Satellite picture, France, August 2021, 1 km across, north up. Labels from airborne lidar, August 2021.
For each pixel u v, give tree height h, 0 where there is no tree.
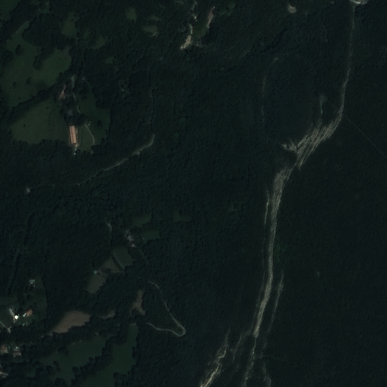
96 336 7
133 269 18
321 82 18
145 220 0
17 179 21
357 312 18
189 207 12
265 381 8
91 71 23
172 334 11
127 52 6
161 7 6
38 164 12
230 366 10
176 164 15
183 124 32
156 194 25
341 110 9
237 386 11
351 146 14
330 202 17
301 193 16
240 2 11
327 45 14
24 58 0
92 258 15
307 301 16
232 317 14
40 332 13
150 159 17
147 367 17
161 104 21
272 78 7
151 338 12
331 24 14
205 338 7
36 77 0
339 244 21
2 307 8
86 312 15
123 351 0
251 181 13
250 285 12
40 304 0
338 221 15
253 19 14
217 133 14
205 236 10
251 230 16
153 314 13
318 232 21
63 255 20
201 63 16
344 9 9
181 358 8
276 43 9
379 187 16
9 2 0
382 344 17
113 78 20
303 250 20
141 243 9
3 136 21
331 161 18
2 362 6
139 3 18
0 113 15
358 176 11
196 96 16
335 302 20
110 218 17
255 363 10
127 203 18
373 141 18
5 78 0
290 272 14
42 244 21
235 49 7
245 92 11
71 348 0
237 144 14
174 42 12
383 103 19
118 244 12
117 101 16
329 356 11
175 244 6
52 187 19
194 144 12
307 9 10
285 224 16
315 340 13
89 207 21
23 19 18
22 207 27
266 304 11
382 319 14
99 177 18
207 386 8
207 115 16
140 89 11
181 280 13
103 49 14
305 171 16
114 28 15
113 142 20
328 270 17
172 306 6
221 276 9
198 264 12
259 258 17
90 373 13
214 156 22
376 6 23
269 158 9
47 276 21
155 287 12
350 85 20
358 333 19
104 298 18
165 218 10
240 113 14
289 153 13
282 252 26
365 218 17
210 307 6
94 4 20
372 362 18
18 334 25
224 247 8
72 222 25
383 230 18
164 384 14
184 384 8
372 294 16
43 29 26
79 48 13
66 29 0
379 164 18
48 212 27
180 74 17
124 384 11
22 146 15
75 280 25
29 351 21
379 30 15
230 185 17
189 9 6
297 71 7
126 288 17
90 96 0
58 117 0
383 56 19
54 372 22
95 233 16
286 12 10
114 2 16
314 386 9
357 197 19
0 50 16
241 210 6
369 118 16
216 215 18
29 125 0
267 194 14
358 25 8
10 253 24
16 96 0
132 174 22
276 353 16
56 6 24
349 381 18
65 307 25
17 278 13
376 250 15
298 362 11
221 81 21
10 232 23
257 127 10
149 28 0
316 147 13
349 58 6
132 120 22
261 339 9
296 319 15
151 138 16
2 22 7
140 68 18
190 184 14
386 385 20
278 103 6
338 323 18
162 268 13
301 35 7
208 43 19
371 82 21
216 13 16
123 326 16
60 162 13
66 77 20
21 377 24
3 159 15
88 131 0
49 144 23
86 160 16
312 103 8
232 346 11
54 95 15
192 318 6
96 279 0
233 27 17
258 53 22
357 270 18
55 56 0
